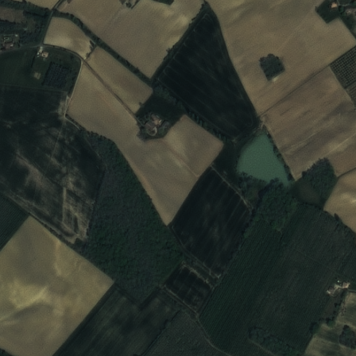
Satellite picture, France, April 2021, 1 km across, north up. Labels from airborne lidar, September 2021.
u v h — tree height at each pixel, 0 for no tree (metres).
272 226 20
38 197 0
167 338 8
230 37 0
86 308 0
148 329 0
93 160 0
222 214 0
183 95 0
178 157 0
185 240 0
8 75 0
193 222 0
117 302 0
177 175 0
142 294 13
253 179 11
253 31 0
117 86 0
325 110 0
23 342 0
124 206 18
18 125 0
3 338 0
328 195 11
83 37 0
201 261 0
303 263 6
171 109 0
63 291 0
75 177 0
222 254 0
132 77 0
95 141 19
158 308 0
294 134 0
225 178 0
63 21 0
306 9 0
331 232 7
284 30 0
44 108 0
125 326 0
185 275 0
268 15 0
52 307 0
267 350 15
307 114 0
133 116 0
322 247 6
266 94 0
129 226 21
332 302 0
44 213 0
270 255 5
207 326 6
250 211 0
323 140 0
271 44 0
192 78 0
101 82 0
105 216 17
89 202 0
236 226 0
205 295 0
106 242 22
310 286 5
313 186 6
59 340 0
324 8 0
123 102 0
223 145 0
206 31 0
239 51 0
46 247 0
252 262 6
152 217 18
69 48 0
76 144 0
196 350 6
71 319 0
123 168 21
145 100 0
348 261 7
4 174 0
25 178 0
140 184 16
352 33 0
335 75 0
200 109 0
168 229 17
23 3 9
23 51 0
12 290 0
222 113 0
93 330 0
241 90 0
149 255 24
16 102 0
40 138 0
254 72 0
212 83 0
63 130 0
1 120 0
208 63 0
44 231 0
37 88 0
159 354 7
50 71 12
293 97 0
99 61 0
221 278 7
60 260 0
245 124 0
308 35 0
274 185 17
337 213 0
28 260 0
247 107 0
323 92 0
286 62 0
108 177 18
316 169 18
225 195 0
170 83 0
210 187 0
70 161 0
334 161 0
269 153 0
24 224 0
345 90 0
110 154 17
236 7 0
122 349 0
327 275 7
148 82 11
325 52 0
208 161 0
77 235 0
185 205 0
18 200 0
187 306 0
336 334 0
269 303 7
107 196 17
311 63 0
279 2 0
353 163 0
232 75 0
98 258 16
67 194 0
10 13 0
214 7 0
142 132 16
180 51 0
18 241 0
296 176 0
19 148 0
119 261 22
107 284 0
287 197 25
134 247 21
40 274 0
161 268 15
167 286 0
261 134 0
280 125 0
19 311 0
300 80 0
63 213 0
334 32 0
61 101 0
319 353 0
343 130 0
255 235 7
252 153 0
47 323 0
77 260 0
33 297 0
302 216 7
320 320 10
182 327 7
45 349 0
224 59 0
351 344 17
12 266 0
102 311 0
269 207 20
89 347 0
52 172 0
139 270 18
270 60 18
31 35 7
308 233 6
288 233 9
